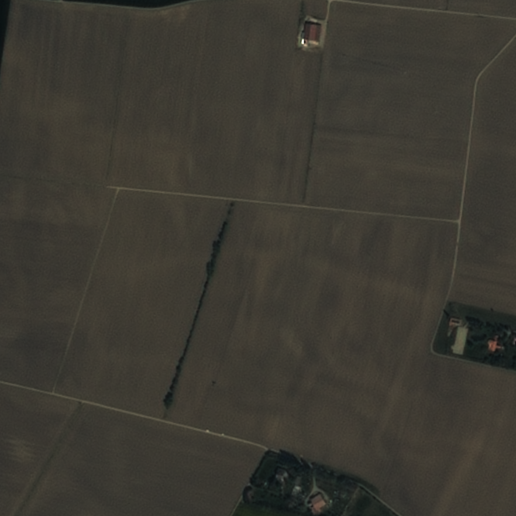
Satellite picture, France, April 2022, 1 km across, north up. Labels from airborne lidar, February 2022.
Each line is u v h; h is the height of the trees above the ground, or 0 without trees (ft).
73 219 0
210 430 0
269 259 0
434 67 0
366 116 0
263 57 0
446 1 0
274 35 0
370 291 0
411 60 0
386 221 0
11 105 0
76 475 0
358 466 0
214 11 0
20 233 0
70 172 0
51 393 0
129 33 0
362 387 0
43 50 0
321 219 0
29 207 0
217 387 0
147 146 0
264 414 0
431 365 0
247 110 0
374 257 0
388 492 0
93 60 0
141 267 0
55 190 0
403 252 0
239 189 0
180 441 0
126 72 0
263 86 0
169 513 0
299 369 0
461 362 0
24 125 0
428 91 0
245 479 0
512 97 0
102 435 0
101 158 0
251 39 0
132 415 0
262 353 0
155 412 0
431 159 0
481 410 0
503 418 0
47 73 0
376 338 0
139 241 0
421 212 0
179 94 0
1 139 0
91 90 0
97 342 0
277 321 0
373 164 0
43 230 0
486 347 27
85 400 0
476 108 0
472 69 0
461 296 0
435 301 0
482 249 0
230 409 0
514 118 0
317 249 0
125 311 0
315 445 0
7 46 0
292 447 0
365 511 0
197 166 0
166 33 0
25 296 0
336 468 0
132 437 0
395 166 0
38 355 0
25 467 0
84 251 0
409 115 0
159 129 0
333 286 0
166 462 0
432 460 0
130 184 0
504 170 0
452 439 0
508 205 0
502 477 0
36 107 0
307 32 0
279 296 0
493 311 0
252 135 0
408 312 0
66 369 0
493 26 0
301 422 0
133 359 0
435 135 0
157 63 0
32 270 0
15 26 0
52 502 0
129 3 0
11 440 0
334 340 0
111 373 0
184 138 0
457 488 0
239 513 0
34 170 0
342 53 0
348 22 0
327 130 0
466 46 0
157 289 0
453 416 0
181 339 0
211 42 0
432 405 0
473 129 0
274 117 0
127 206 0
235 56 0
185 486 0
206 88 0
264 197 0
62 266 0
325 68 0
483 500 0
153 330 0
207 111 0
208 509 0
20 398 0
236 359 0
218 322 0
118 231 0
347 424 0
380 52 0
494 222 0
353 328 0
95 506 0
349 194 0
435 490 0
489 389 0
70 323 0
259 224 0
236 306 0
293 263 0
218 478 0
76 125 0
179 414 0
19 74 0
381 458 0
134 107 0
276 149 0
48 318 0
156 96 0
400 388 0
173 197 0
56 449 0
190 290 0
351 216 0
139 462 0
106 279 0
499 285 0
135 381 0
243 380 0
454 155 0
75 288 0
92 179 0
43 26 0
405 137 0
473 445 0
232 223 0
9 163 0
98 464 0
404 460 0
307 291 0
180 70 0
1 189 0
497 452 0
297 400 0
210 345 0
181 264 0
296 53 0
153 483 0
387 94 0
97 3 0
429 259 0
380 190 0
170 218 0
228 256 0
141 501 0
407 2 0
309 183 0
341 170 0
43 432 0
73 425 0
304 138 0
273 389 0
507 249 0
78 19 0
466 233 0
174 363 0
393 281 0
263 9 0
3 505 0
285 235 0
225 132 0
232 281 0
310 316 0
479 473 0
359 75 0
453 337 0
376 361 0
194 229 0
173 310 0
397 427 0
